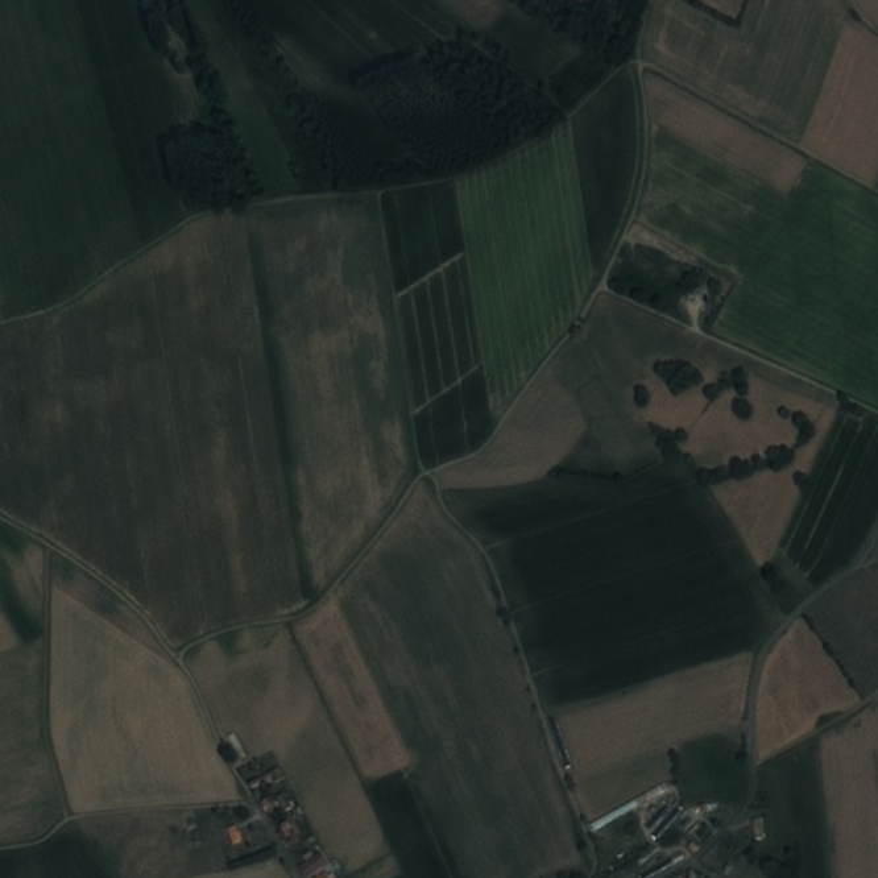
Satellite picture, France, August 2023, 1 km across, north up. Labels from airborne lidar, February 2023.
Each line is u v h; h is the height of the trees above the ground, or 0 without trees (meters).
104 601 0
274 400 0
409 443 0
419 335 0
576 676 0
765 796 0
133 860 0
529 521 0
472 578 0
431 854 0
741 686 0
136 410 0
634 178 0
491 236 0
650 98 0
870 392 0
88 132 0
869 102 0
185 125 0
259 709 0
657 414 0
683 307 0
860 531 0
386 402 0
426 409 0
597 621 0
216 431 0
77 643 0
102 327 0
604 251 0
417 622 0
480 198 0
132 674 0
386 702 0
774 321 0
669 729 0
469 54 21
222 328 0
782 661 0
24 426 0
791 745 0
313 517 0
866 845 0
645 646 0
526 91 27
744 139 0
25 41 0
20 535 0
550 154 0
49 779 0
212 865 0
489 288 0
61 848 0
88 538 0
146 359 0
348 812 0
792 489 0
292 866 0
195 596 0
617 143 0
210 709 0
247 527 0
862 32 0
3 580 0
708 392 12
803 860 0
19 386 0
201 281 0
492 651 0
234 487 0
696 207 0
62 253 0
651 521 0
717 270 0
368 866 0
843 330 0
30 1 0
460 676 0
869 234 0
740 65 0
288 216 0
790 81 0
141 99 0
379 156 0
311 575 0
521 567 0
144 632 0
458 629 0
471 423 0
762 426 0
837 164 0
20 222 0
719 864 0
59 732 0
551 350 0
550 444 0
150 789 0
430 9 0
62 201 0
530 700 0
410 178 17
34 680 0
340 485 0
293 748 0
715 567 0
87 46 0
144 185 0
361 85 27
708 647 0
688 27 0
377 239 0
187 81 0
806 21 0
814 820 0
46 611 0
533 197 0
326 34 0
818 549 0
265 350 0
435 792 0
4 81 0
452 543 0
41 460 0
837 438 0
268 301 0
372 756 0
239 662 0
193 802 0
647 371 0
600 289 0
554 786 0
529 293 0
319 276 0
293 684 0
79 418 0
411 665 0
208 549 0
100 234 0
